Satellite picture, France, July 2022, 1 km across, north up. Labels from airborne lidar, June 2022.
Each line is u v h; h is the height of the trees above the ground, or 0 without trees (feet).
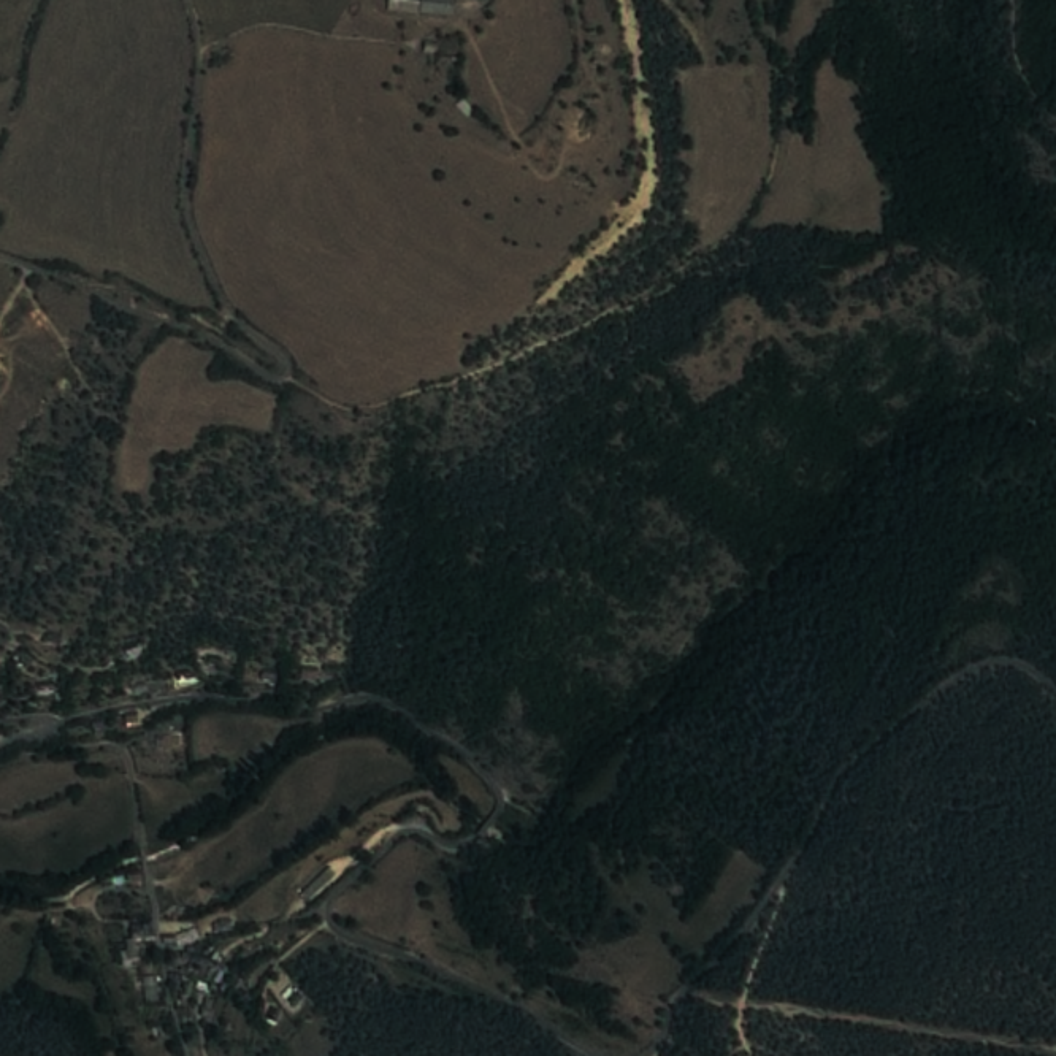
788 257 48
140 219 0
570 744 35
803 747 36
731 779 42
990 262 35
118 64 0
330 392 0
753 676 26
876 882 31
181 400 0
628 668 24
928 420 69
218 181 0
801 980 33
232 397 0
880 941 29
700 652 34
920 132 52
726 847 22
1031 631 33
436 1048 36
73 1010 67
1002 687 36
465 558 29
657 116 29
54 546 25
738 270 50
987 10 38
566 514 39
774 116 24
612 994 34
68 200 0
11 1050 44
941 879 25
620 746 52
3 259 0
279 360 0
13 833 0
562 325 24
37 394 0
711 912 0
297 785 0
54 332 0
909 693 59
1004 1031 51
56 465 28
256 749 0
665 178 30
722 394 24
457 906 25
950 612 40
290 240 0
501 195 0
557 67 0
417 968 35
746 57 32
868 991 28
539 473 18
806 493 30
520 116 0
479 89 0
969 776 49
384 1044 42
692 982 28
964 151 45
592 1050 0
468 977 0
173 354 0
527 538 40
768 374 21
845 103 0
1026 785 35
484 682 36
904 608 48
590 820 34
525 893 24
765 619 69
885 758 58
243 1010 68
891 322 21
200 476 21
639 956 0
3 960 0
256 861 0
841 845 53
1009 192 78
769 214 0
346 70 0
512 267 0
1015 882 38
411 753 41
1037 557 43
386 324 0
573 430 38
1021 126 29
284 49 0
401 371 0
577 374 24
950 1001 32
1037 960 37
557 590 38
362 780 0
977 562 48
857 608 43
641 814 24
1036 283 60
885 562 54
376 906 0
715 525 34
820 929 25
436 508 38
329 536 30
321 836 69
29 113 0
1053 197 35
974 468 38
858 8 41
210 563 22
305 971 24
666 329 43
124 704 0
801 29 0
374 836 0
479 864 37
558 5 0
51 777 0
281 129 0
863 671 43
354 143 0
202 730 0
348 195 0
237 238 0
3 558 21
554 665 27
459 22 0
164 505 32
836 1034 30
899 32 36
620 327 23
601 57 0
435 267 0
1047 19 29
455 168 0
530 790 28
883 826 33
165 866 0
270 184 0
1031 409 48
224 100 0
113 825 0
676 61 50
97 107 0
